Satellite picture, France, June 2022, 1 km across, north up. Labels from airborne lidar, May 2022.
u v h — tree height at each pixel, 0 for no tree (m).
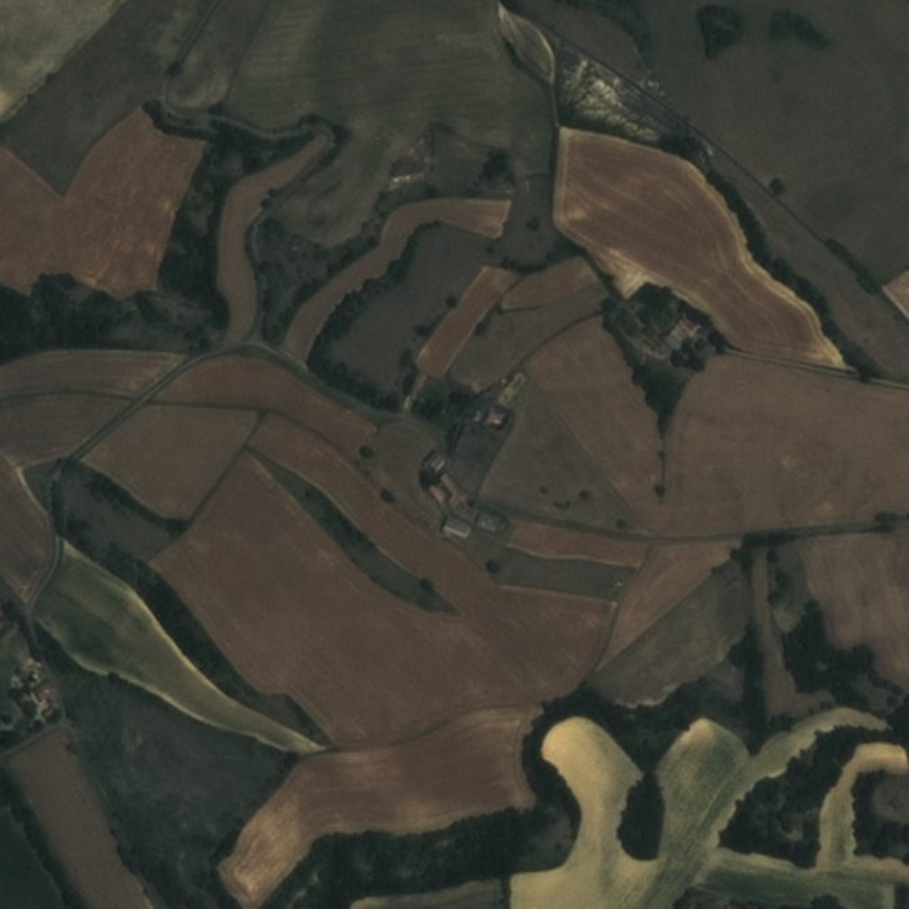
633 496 0
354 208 0
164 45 0
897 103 0
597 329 0
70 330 10
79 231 0
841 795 0
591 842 0
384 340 0
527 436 0
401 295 0
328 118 0
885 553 0
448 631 0
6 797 18
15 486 0
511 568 0
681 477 0
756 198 0
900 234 0
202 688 0
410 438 0
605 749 0
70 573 0
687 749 0
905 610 0
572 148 0
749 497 0
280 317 8
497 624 0
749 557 7
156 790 0
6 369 0
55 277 7
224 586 0
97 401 0
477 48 0
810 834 13
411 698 0
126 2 0
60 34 0
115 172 0
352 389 8
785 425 0
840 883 0
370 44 0
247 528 0
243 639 0
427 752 0
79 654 0
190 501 0
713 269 0
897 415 0
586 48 0
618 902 0
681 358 9
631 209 0
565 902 0
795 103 0
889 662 0
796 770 13
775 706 0
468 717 0
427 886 10
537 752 15
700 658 0
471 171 0
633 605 0
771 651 0
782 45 0
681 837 0
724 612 0
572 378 0
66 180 0
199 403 0
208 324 7
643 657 0
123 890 0
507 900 8
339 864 10
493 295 0
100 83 0
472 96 0
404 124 0
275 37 0
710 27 10
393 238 0
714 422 0
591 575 0
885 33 0
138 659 0
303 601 0
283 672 0
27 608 0
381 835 8
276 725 0
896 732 11
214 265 7
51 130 0
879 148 0
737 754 0
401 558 0
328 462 0
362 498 0
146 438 0
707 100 0
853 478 0
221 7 0
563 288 0
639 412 0
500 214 0
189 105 0
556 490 0
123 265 0
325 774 0
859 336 0
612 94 0
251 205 0
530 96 0
